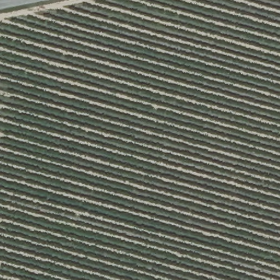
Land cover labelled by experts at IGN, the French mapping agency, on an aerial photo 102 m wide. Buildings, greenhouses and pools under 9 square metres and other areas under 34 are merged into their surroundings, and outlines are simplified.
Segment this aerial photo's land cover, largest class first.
<instances>
[{"label":"vineyard","instance_id":"1","mask_svg":"<svg viewBox=\"0 0 280 280\"><path fill-rule=\"evenodd\" d=\"M40 15L51 17V21L38 19L33 15L5 17L0 21V280H280V0H95L94 4L81 2L65 5L61 10L38 11Z\"/></svg>","mask_w":280,"mask_h":280},{"label":"plowed land","instance_id":"2","mask_svg":"<svg viewBox=\"0 0 280 280\"><path fill-rule=\"evenodd\" d=\"M81 2L94 4L95 0H66L0 13V21L5 17L33 15L38 19L51 21V17L40 15L38 11L61 10L65 5Z\"/></svg>","mask_w":280,"mask_h":280},{"label":"herbaceous vegetation","instance_id":"3","mask_svg":"<svg viewBox=\"0 0 280 280\"><path fill-rule=\"evenodd\" d=\"M66 0H0V13Z\"/></svg>","mask_w":280,"mask_h":280}]
</instances>
